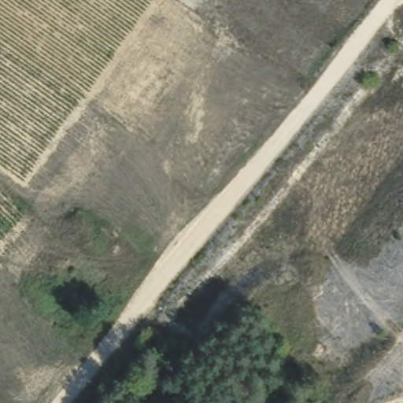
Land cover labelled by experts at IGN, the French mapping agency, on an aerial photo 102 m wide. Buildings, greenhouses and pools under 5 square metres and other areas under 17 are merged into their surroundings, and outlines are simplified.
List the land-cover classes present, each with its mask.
<instances>
[{"label":"herbaceous vegetation","instance_id":"1","mask_svg":"<svg viewBox=\"0 0 403 403\"><path fill-rule=\"evenodd\" d=\"M379 0H151L150 5L140 14L137 24L121 41L120 46L116 47L112 60L102 69L87 91L91 101L87 105V110L80 115L79 121L66 131L65 137L58 143L57 150L50 154L46 164L39 170L38 175L31 179L30 184L27 187L19 184L14 187L16 194L35 203L36 211L28 216V224L31 227H47L50 233L44 236V249L31 260L25 271L20 272L19 282L11 283L8 296L0 298V403H61L66 397V379L79 370L80 357H85L80 349L69 348L65 337L55 334L52 316L44 315L38 304H30L27 298L30 291L27 290V282H36L46 275H60L66 282L77 279L91 285L101 282L109 288L110 294L120 296L128 304L146 275L150 274L154 263L178 236L179 231L184 230L209 205V201L224 190L250 157H253L264 142L277 131L291 110L298 107L316 80L320 79L332 58L337 55L338 50L342 49L349 35L368 16ZM403 224V5L398 6L394 14L384 19L372 41L354 61L353 69H349L345 76L338 80L320 107L302 124V128L294 134L282 153L275 157V161L269 165L257 183L253 184L246 197L239 201L235 209L225 217L224 222L214 230L213 235L209 236L208 241L187 261L175 279L168 283L153 309L132 324L128 335L121 340L120 348H116L107 359L102 360L98 372L94 373L90 383L80 390L72 403H102V397L115 394V384L118 381H128L129 372L135 364L134 357L142 359L154 348L159 356L168 360L173 354L183 351L195 340L203 337L209 321L225 318L228 315V305L236 302L250 305V301L260 305V324L264 331L282 335V346L277 353L283 357H293L298 362H307L312 365L320 379L327 381L329 397L324 403H372V383L365 379V373L376 367L387 349L394 345L397 335L403 332V301L397 302V309H394L397 320H387L383 326H379L372 312L360 302L356 293L343 279L353 272L348 263H356L357 266L365 268L372 258L378 257L381 253L383 244L400 239L398 231Z\"/></svg>","mask_w":403,"mask_h":403},{"label":"vineyard","instance_id":"2","mask_svg":"<svg viewBox=\"0 0 403 403\"><path fill-rule=\"evenodd\" d=\"M151 0H0V298L8 296L11 283L19 282L20 272L25 271L31 260L44 249V236L50 233L47 227H31L28 224V216L36 211L35 203L16 194L14 187L19 184L27 187L30 184L31 179L38 175L39 170L46 164L50 154L57 150L58 143L65 137L66 131L79 121L80 115L87 110V105L91 101L87 91L102 69L112 60L116 47L120 46L121 41L137 24L140 14L150 5Z\"/></svg>","mask_w":403,"mask_h":403},{"label":"pervious surface","instance_id":"3","mask_svg":"<svg viewBox=\"0 0 403 403\"><path fill-rule=\"evenodd\" d=\"M403 5V0H379L368 16L349 35L342 49L338 50L337 55L332 58L320 79L316 80L298 107L291 110L277 131L264 142L253 157H250L224 190L209 201V205L184 230L179 231L178 236L154 263L150 274L146 275L128 304L121 312L120 318L113 323L112 331L105 335L90 357H80L79 370L66 379V397L61 403H72L80 390L90 383L94 373L98 372L102 360L107 359L116 348H120L121 340L128 335L132 324L153 309L168 283L175 279L187 261L208 241L209 236L213 235L214 230L224 222L225 217L235 209L239 201L246 197L253 184L257 183L269 165L275 161V157L282 153L294 134L302 128V124L320 107L338 80L345 76L349 69H353L354 61L372 41L384 19L394 14L398 6ZM400 239L383 244L381 253L378 257L372 258L365 268L357 266L356 263H348L353 272L343 279L356 293L360 302L372 312L379 326H383L387 320H397L394 309H397V302L403 301V224L398 231ZM365 379L372 383V403H403V332L397 335L394 345L387 349L376 367L365 373Z\"/></svg>","mask_w":403,"mask_h":403},{"label":"coniferous trees","instance_id":"4","mask_svg":"<svg viewBox=\"0 0 403 403\"><path fill-rule=\"evenodd\" d=\"M228 315L225 318L209 321L203 337L195 340L183 351L173 354L168 360L159 356L154 348L142 359L134 357L135 364L129 372L128 381H118L115 384V394L102 397V403H324L329 397L327 381L320 379L312 365L307 362H298L293 357H283L277 353L282 346V335L264 331L260 324V305L250 301V305L236 302L228 305Z\"/></svg>","mask_w":403,"mask_h":403},{"label":"brushwood","instance_id":"5","mask_svg":"<svg viewBox=\"0 0 403 403\"><path fill-rule=\"evenodd\" d=\"M27 290L30 291L27 298L30 304H38L44 315L52 316L55 334L65 337L69 348L80 349L85 357H90L105 335L112 331L113 323L120 318L121 312L128 304L120 296L110 294L109 288L101 282L91 285L77 279L66 282L60 275H46L36 282H27ZM80 307H96L105 321L94 329H82L80 324H77V312Z\"/></svg>","mask_w":403,"mask_h":403},{"label":"deciduous trees","instance_id":"6","mask_svg":"<svg viewBox=\"0 0 403 403\"><path fill-rule=\"evenodd\" d=\"M77 324H80L82 329H94L105 321L96 307H80L77 312Z\"/></svg>","mask_w":403,"mask_h":403}]
</instances>
